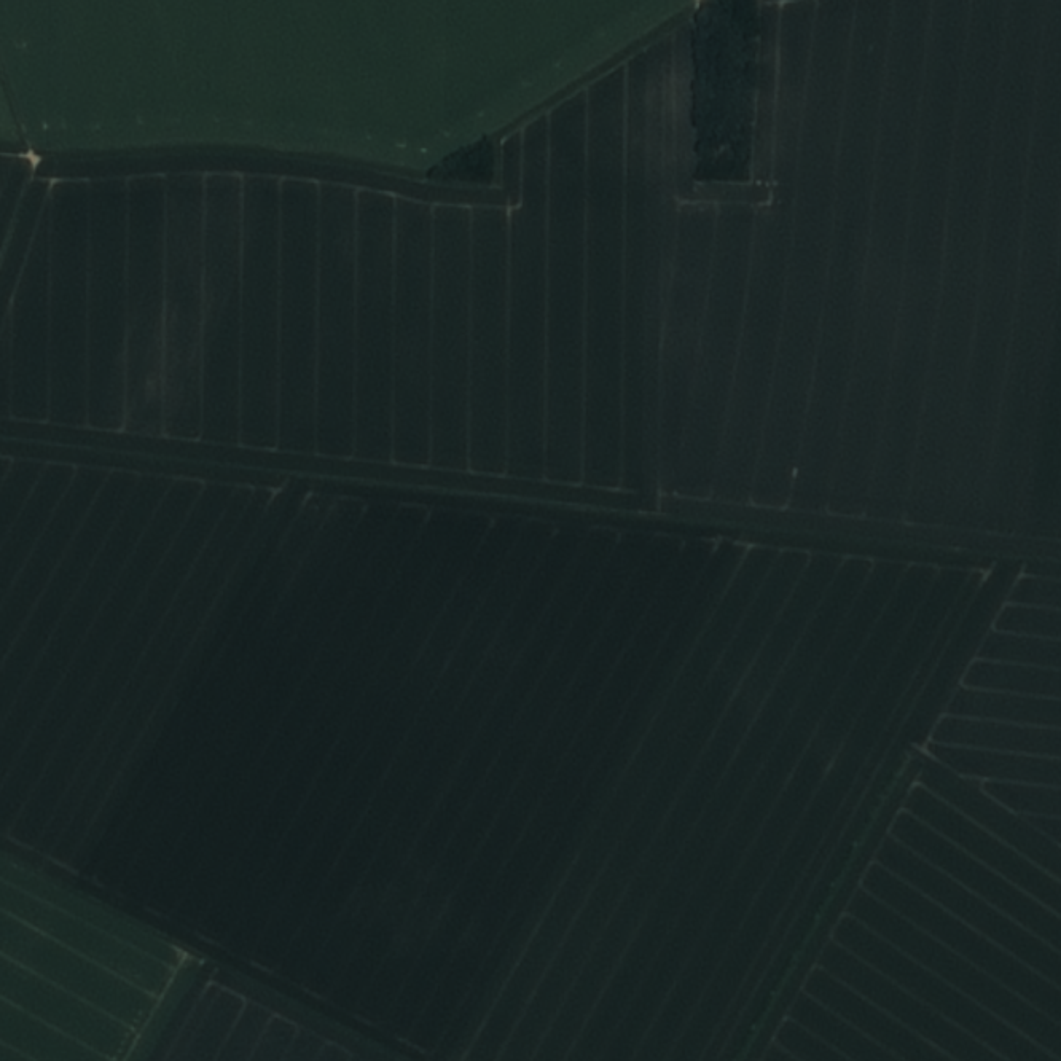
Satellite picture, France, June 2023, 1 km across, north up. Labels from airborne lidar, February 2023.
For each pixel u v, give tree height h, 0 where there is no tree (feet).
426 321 0
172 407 0
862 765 0
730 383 0
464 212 0
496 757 0
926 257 0
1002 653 0
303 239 0
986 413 0
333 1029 0
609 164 0
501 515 0
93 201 0
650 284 0
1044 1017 0
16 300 0
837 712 0
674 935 0
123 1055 0
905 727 0
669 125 0
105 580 0
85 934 0
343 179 0
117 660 0
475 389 0
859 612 0
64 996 0
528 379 0
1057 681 0
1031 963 0
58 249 0
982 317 0
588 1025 0
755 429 0
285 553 0
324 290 0
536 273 0
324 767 0
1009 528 0
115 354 0
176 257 0
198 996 0
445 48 0
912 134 0
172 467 0
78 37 0
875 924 0
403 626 0
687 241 0
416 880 0
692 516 0
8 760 0
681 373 0
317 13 0
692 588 0
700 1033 0
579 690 0
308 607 0
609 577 0
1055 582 0
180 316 0
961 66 0
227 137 0
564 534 0
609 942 0
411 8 0
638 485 0
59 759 0
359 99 0
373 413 0
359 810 0
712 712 0
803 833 0
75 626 0
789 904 0
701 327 0
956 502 0
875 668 0
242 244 0
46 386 0
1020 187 0
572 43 0
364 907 0
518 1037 0
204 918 0
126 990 0
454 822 0
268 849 0
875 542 0
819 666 0
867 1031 0
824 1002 0
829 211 0
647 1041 0
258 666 0
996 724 0
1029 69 0
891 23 0
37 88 0
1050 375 0
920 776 0
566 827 0
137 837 0
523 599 0
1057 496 0
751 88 50
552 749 0
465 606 0
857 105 0
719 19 44
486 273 0
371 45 0
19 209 0
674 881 0
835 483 0
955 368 0
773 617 0
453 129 0
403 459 0
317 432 0
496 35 0
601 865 0
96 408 0
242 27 0
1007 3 0
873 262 0
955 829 0
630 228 0
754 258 0
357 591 0
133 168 0
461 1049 0
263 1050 0
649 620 0
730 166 19
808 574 0
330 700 0
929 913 0
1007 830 0
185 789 0
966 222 0
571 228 0
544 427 0
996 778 0
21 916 0
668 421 0
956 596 0
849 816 0
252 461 0
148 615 0
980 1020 0
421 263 0
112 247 0
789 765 0
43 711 0
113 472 0
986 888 0
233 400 0
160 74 0
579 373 0
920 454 0
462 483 0
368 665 0
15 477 0
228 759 0
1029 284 0
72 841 0
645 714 0
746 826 0
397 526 0
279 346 0
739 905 0
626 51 0
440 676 0
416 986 0
